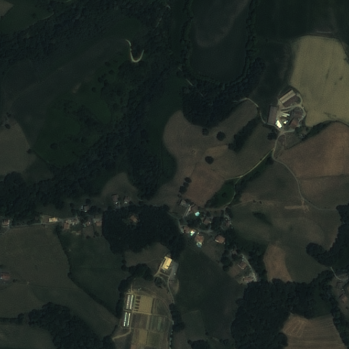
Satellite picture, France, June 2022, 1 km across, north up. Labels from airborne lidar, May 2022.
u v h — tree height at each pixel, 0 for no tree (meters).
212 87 20
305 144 0
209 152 0
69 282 0
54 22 20
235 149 16
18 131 0
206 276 0
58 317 22
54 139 0
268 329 27
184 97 7
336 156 0
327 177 0
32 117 0
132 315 0
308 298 28
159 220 26
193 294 0
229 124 0
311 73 0
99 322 0
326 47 0
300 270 0
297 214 0
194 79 12
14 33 7
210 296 0
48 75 0
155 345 0
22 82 0
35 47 7
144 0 21
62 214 0
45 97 0
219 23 0
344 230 21
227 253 12
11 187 11
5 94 0
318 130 8
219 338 0
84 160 15
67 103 8
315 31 0
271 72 0
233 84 11
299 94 0
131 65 11
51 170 10
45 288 0
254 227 0
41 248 0
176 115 0
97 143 7
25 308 0
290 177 0
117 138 27
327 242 0
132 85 7
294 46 0
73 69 0
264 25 0
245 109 0
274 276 0
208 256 0
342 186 0
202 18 0
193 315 0
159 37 20
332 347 0
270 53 0
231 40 0
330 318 0
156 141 0
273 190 0
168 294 0
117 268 0
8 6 0
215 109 29
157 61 12
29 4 0
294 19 0
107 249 0
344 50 0
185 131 0
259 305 30
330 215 0
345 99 0
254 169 0
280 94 0
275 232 0
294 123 0
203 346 20
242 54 0
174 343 0
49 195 10
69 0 0
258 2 14
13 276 0
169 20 15
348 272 16
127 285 20
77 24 18
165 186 0
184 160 0
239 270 0
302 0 0
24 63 0
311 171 0
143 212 20
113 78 0
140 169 27
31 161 0
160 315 0
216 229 9
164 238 27
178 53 0
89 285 0
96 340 27
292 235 0
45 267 0
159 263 0
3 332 0
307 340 0
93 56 0
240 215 0
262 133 0
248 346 19
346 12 0
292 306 11
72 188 21
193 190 0
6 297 0
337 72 0
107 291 0
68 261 7
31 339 0
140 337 0
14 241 0
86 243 0
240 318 19
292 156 0
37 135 0
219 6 0
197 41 0
